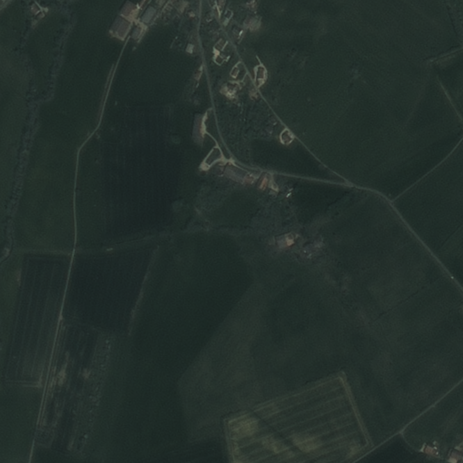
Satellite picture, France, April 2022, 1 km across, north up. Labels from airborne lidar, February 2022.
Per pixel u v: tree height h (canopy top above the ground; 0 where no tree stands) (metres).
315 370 0
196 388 0
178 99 0
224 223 0
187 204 12
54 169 0
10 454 0
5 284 0
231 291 0
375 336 0
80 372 0
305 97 0
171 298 0
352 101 0
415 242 0
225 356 0
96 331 0
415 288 0
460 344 0
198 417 0
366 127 0
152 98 0
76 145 0
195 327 0
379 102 0
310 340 0
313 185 0
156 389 0
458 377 0
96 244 0
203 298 0
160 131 0
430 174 0
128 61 0
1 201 0
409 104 0
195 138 13
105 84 0
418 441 0
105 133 0
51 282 0
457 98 0
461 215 0
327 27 0
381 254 0
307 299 0
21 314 0
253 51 0
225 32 0
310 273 0
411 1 0
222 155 0
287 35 0
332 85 0
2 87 0
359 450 0
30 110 18
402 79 0
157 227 0
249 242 0
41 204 0
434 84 0
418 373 0
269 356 0
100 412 0
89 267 0
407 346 0
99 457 0
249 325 0
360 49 0
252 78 0
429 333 0
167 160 0
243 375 0
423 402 0
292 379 0
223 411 0
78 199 0
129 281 0
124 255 0
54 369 0
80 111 0
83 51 0
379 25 0
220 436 0
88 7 0
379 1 0
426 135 0
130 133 0
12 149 0
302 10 0
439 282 0
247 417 0
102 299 0
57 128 0
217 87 12
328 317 0
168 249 0
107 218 0
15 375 0
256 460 0
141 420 0
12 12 0
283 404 0
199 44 0
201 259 0
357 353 0
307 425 0
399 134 0
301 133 0
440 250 0
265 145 0
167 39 0
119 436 0
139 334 0
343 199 12
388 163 0
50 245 0
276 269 0
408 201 0
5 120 0
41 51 0
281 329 0
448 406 0
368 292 0
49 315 0
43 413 0
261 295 0
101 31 0
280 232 16
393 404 0
